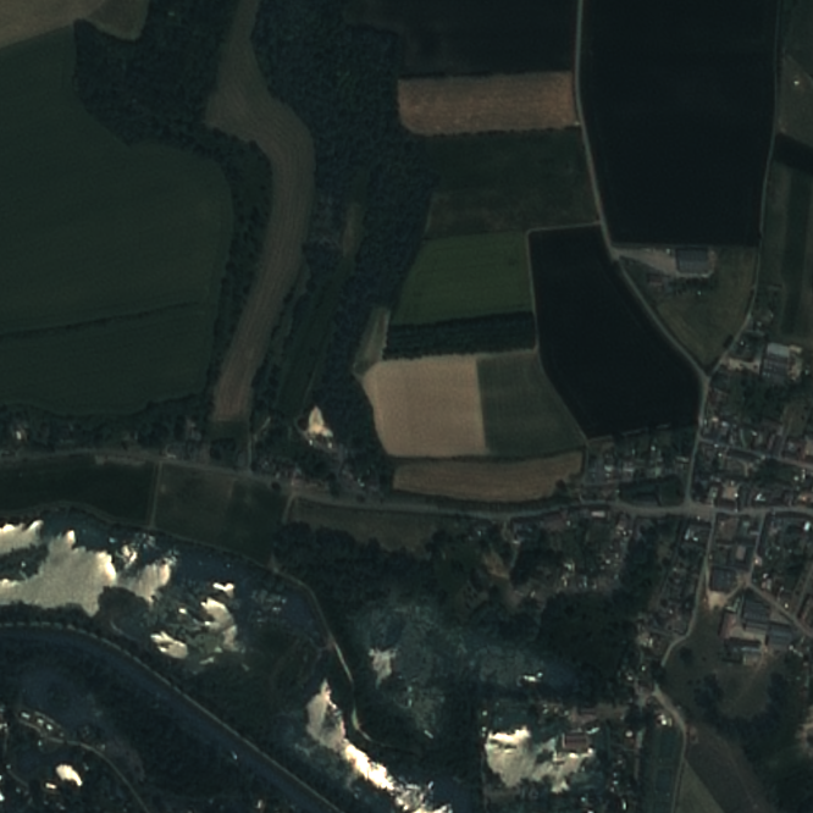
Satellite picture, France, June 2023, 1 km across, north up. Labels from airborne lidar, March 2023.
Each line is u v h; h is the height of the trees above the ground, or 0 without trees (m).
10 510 0
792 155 0
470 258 0
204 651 0
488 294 0
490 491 0
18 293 0
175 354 0
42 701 0
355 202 0
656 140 0
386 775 0
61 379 0
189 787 11
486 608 6
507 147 0
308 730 0
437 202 0
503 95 0
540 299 0
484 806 8
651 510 0
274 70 18
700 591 0
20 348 0
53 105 0
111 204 0
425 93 0
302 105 21
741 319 0
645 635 0
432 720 0
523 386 0
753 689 0
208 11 20
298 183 0
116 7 0
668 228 0
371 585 10
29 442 6
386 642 0
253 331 0
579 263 0
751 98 0
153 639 0
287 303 7
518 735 0
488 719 0
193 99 12
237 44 0
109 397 0
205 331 0
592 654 0
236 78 0
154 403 9
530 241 0
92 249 0
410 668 0
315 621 0
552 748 0
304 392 0
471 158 0
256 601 0
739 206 0
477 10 0
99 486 0
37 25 0
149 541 0
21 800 16
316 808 0
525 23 0
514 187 0
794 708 0
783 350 0
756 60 0
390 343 8
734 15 0
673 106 0
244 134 0
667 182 0
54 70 0
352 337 12
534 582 0
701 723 0
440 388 0
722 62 0
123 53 11
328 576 26
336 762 0
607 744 0
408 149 16
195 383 0
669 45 0
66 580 0
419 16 0
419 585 8
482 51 0
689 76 0
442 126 0
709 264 0
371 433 8
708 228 0
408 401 0
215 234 0
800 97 0
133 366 0
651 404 0
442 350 8
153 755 15
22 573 0
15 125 0
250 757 0
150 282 0
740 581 0
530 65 0
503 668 0
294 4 16
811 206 0
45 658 7
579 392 0
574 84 0
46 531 0
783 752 0
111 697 8
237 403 0
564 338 0
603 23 0
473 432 0
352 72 19
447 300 0
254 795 17
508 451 0
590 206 0
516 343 10
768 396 7
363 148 11
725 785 0
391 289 8
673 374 0
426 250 0
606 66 0
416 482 0
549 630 9
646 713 16
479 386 0
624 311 0
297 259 0
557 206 0
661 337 0
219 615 0
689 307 0
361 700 5
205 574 0
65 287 0
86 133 0
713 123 0
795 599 0
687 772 0
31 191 0
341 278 0
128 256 0
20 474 0
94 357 0
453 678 11
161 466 0
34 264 0
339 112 18
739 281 0
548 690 20
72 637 0
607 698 12
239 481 0
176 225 0
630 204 0
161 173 0
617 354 0
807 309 0
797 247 0
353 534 0
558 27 0
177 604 0
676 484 7
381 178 12
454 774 7
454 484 0
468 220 0
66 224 0
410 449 0
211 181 0
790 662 7
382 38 17
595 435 0
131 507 0
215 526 0
